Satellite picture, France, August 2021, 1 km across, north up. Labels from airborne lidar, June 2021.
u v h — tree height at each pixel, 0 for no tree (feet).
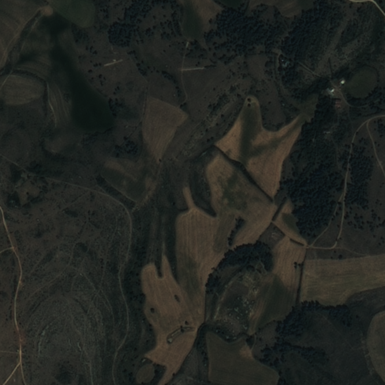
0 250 0
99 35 0
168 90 0
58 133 0
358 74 0
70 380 0
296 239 0
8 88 0
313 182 50
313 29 29
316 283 0
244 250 46
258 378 0
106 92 0
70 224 0
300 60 32
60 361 0
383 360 0
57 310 0
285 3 0
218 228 0
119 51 0
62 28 0
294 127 0
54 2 0
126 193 0
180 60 0
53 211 0
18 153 0
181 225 0
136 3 33
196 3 0
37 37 0
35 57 0
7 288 0
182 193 0
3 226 0
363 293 0
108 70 0
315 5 21
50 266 0
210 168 0
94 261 0
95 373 0
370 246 0
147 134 0
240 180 0
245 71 0
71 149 0
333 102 25
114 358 0
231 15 52
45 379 0
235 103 0
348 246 0
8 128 0
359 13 33
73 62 0
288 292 0
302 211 54
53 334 0
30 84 0
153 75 0
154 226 0
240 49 26
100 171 0
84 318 0
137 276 33
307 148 28
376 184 0
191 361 0
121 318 0
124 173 0
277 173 0
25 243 0
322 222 39
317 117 47
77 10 0
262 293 0
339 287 0
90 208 0
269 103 20
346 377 0
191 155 0
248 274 0
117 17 0
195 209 0
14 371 0
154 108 0
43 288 0
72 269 0
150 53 0
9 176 0
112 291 0
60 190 0
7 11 0
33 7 0
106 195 0
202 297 0
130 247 0
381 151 0
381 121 23
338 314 62
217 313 0
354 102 54
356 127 0
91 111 0
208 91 0
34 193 0
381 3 37
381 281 0
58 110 0
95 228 0
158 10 0
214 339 0
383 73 0
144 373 0
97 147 0
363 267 0
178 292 0
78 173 0
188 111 0
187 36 0
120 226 0
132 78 0
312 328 0
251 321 0
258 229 0
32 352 0
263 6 25
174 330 0
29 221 0
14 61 0
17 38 0
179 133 0
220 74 0
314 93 33
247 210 0
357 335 0
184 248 0
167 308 0
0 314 0
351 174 23
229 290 0
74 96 0
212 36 36
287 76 41
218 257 0
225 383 0
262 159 0
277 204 0
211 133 0
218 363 0
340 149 0
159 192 0
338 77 31
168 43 0
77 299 0
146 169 0
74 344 0
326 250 0
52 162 0
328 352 0
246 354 0
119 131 0
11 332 0
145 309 0
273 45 31
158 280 0
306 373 0
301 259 0
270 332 0
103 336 0
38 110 0
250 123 0
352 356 0
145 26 0
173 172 0
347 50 0
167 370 0
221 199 0
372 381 0
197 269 0
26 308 0
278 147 0
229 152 0
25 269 0
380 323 0
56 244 0
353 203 31
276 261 0
